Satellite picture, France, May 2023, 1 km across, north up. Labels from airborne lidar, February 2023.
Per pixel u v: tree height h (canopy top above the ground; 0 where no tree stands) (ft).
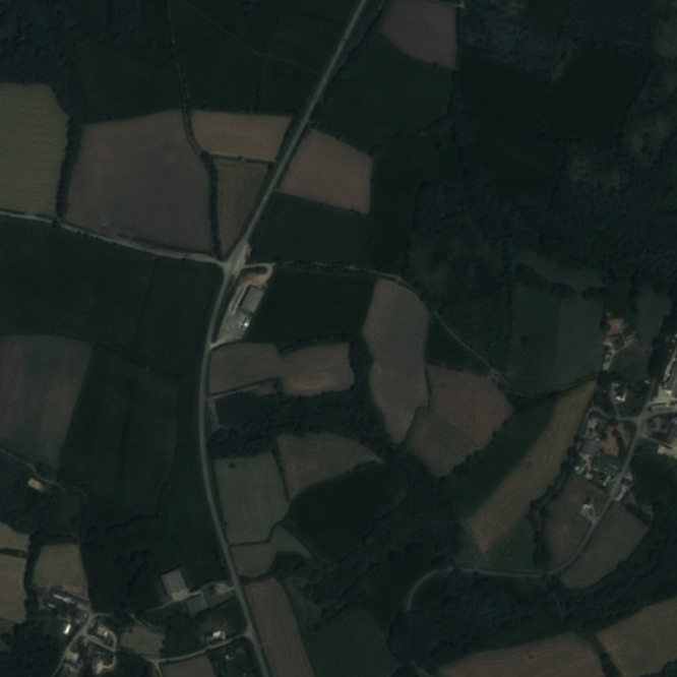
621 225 62
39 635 26
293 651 0
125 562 33
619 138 46
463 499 0
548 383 0
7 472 0
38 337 0
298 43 0
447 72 0
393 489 0
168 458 0
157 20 0
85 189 0
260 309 0
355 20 0
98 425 0
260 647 0
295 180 0
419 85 0
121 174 0
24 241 0
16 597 0
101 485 0
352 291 0
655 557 26
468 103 0
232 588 0
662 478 0
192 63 0
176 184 0
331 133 23
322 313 0
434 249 0
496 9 24
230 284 0
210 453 37
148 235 0
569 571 0
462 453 0
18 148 0
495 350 0
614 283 85
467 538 0
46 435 0
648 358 0
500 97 0
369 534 27
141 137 0
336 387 0
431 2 0
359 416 32
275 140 0
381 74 0
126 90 0
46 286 0
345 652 0
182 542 0
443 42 0
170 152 0
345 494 0
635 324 0
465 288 0
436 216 26
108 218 0
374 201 0
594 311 0
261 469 0
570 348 0
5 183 0
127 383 0
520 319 0
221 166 0
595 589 22
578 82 0
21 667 18
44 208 0
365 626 0
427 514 26
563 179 36
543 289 63
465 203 47
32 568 21
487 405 0
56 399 0
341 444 0
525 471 0
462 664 0
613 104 0
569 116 0
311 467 0
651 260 73
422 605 0
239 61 0
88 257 0
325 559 0
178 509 0
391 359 0
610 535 0
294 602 0
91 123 0
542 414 0
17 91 0
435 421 0
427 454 0
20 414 0
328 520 0
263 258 0
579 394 0
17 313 0
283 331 0
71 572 0
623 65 0
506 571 0
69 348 0
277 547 0
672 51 0
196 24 0
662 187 50
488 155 0
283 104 0
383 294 0
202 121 0
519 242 60
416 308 0
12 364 0
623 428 0
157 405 0
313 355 0
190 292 0
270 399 44
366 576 31
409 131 0
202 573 0
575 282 0
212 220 43
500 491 0
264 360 0
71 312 0
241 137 0
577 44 27
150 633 0
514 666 0
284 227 0
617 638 0
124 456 0
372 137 0
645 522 36
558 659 0
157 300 0
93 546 44
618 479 0
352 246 0
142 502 0
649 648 0
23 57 82
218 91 0
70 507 0
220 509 0
